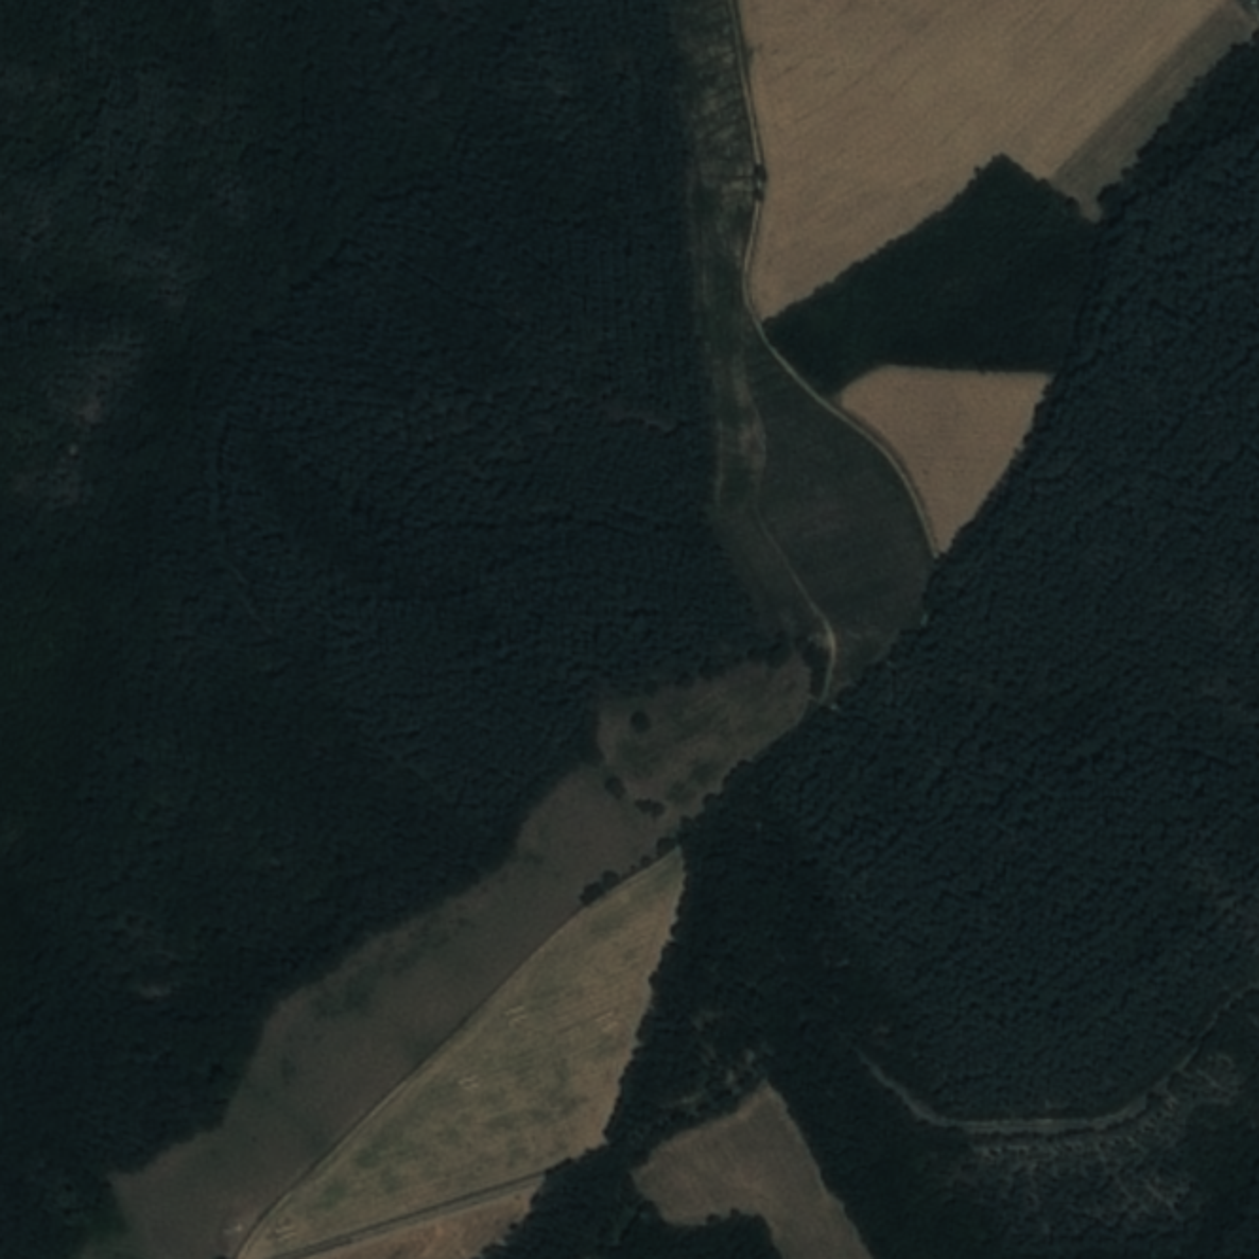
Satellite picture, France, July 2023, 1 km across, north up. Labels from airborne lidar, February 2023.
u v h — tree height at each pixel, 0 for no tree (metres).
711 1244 11
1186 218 24
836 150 0
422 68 11
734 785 14
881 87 0
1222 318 23
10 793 14
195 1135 15
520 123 12
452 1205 0
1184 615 16
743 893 20
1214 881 17
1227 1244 21
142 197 20
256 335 21
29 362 17
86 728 17
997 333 10
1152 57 0
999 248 7
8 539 22
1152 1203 15
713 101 0
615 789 11
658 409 12
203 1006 9
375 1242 0
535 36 19
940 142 0
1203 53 0
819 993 24
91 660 15
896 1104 19
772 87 0
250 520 22
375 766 16
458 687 18
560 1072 0
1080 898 21
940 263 7
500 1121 0
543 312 15
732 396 0
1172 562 25
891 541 0
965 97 0
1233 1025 22
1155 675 14
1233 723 19
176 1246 0
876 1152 25
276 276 22
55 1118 23
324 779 22
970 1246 26
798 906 17
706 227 0
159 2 22
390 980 0
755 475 0
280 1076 0
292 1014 0
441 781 12
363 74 11
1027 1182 17
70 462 14
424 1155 0
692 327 13
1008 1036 21
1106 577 21
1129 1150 15
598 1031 0
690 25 0
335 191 12
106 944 11
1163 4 0
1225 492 26
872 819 9
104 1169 18
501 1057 0
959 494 0
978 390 0
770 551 0
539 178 16
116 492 22
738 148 0
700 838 11
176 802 9
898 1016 9
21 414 17
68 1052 19
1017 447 0
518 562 17
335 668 16
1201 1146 19
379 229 20
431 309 15
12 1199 21
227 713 25
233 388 17
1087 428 24
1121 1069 23
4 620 15
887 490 0
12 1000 18
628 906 0
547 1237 17
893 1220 23
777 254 0
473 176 19
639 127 13
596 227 16
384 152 22
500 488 18
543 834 0
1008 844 22
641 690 13
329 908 14
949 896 13
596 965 0
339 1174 0
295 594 18
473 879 19
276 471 18
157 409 17
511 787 17
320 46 23
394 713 15
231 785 10
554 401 15
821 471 0
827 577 0
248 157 17
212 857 14
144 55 22
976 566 24
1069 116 0
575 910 0
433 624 25
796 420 0
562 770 14
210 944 6
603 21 13
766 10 0
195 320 21
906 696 18
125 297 13
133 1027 25
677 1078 12
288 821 15
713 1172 0
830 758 18
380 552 19
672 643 15
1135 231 23
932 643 19
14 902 16
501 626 14
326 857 16
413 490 18
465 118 13
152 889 18
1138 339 24
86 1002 22
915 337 8
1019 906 15
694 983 15
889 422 0
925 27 0
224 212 17
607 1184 18
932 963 9
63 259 14
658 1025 15
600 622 19
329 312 16
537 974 0
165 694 18
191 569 18
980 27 0
